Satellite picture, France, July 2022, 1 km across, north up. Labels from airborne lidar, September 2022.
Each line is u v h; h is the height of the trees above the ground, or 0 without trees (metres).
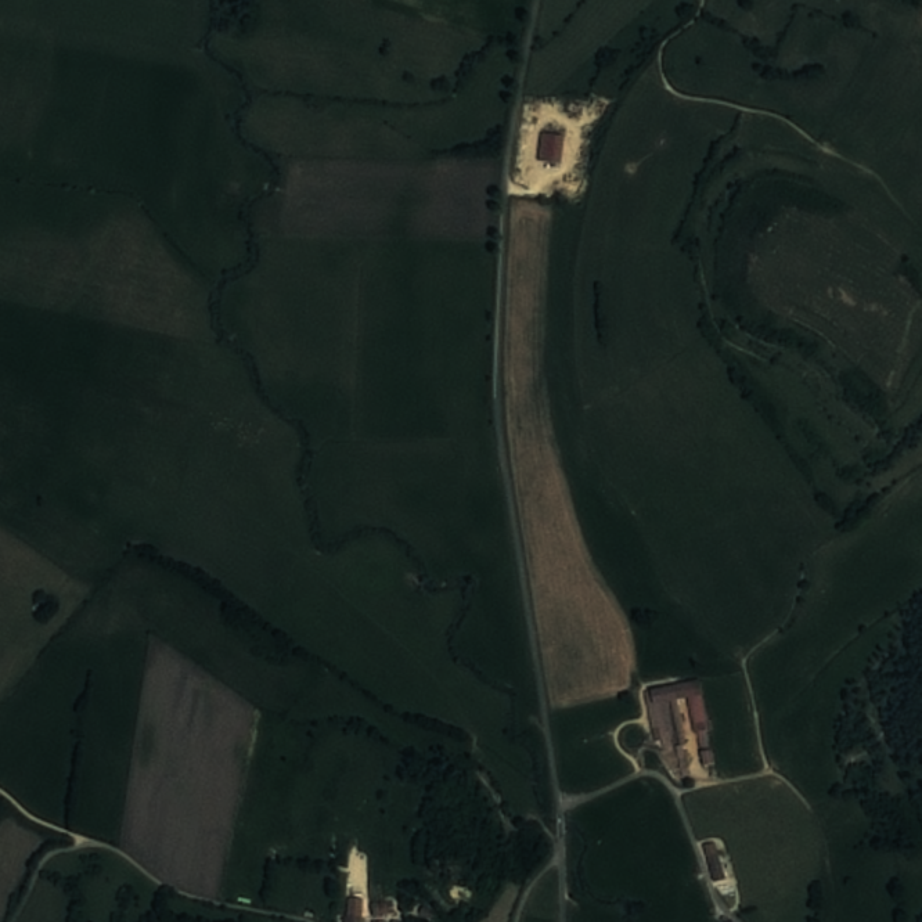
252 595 0
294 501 0
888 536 0
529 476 0
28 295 0
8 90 0
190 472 0
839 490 0
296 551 0
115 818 0
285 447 0
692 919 0
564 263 0
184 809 0
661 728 0
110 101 0
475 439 0
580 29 0
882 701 11
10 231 0
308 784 0
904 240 0
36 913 0
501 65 0
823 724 0
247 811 0
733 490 0
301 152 0
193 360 0
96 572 0
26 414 0
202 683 0
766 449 0
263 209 0
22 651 0
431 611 0
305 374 0
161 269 0
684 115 0
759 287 0
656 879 0
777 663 0
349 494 0
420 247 0
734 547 0
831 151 0
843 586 0
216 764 0
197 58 0
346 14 0
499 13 0
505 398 0
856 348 0
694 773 0
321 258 0
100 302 0
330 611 0
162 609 0
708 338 6
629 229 0
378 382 0
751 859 0
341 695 0
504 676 0
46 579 0
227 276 11
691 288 0
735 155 10
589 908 0
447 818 6
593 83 9
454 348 0
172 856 0
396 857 0
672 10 0
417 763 28
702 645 0
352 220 0
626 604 0
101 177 0
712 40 0
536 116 0
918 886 0
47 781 0
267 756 0
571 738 0
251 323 0
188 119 0
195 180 0
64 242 0
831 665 0
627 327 0
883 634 0
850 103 0
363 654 0
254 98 0
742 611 0
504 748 0
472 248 0
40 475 0
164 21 0
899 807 11
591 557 0
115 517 0
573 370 0
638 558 0
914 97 0
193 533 0
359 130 0
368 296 0
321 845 0
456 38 0
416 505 0
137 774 0
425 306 0
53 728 0
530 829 14
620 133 0
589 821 0
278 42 0
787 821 0
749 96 0
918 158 0
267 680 0
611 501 0
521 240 0
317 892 0
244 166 0
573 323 0
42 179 0
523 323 0
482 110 0
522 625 0
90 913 0
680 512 0
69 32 0
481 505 0
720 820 0
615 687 0
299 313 0
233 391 0
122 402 0
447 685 0
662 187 0
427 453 0
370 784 0
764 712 0
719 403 0
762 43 13
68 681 0
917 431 15
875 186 0
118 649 0
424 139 0
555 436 0
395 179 0
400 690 0
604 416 0
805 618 0
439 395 0
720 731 0
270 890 14
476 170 0
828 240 0
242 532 0
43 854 11
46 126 0
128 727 0
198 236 0
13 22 0
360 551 0
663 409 0
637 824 0
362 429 0
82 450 0
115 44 0
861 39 0
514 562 0
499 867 6
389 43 10
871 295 0
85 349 0
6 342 0
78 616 0
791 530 0
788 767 0
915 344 0
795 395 0
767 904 0
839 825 0
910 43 0
